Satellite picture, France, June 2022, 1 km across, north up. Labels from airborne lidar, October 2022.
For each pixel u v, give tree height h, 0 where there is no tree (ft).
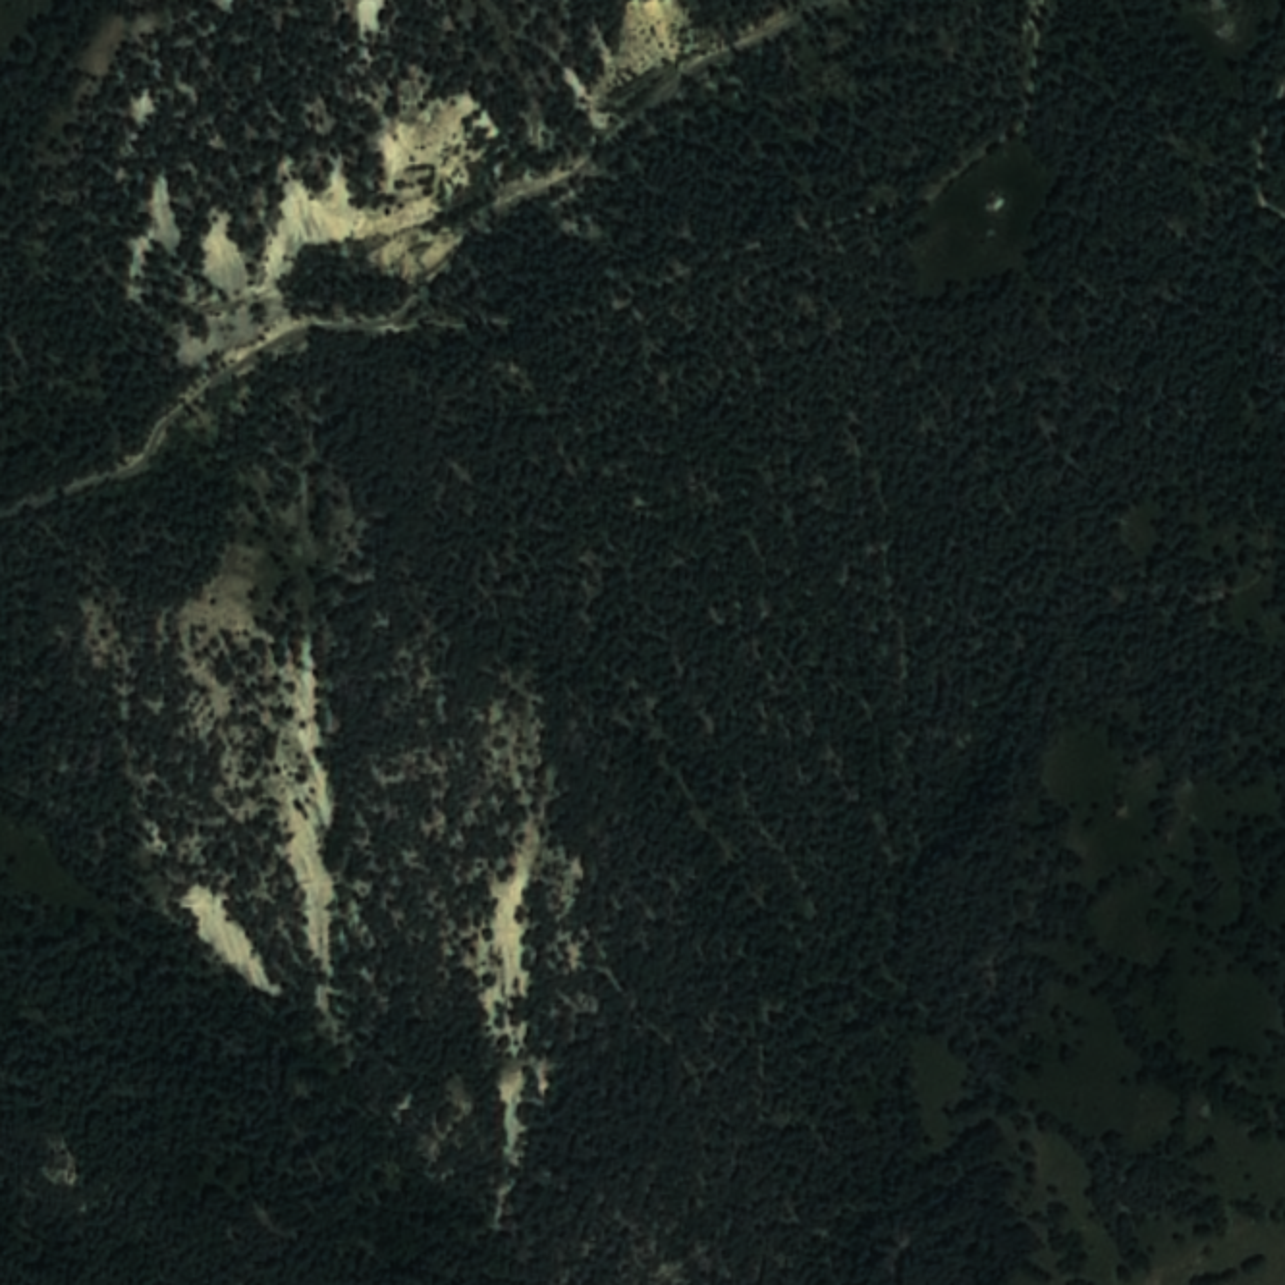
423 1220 63
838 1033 91
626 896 57
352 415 72
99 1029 78
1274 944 50
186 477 74
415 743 30
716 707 73
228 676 48
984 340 69
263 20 69
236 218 41
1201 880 63
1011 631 44
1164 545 34
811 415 44
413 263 0
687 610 41
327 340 69
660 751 44
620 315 30
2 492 29
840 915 74
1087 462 77
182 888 30
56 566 49
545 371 59
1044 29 98
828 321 74
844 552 50
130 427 55
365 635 42
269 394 51
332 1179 97
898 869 28
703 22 24
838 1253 71
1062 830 54
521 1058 17
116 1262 81
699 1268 59
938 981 42
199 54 44
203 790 33
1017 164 0
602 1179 36
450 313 29
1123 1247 48
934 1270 54
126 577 73
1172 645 56
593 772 44
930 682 53
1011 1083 23
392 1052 64
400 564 51
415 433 56
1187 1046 34
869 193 65
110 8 44
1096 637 63
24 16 0
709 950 60
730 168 86
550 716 56
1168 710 72
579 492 77
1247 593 0
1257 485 55
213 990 68
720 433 52
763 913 50
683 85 21
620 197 50
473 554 64
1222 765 72
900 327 55
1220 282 82
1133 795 0
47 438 27
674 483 52
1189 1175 25
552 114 29
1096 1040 0
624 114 34
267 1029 88
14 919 34
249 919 42
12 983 81
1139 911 0
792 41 80
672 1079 53
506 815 50
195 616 0
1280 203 52
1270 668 42
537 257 72
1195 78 56
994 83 73
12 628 92
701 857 68
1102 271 90
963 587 70
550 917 24
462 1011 54
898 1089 44
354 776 28
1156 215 91
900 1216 70
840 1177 59
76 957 35
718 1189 39
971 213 0
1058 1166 0
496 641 68
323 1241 73
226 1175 52
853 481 54
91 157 70
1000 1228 48
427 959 24
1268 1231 0
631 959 47
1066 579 36
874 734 53
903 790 60
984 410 71
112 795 82
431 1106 44
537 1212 34
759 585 71
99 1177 61
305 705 0
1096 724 39
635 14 0
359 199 23
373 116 43
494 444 65
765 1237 58
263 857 23
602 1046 30
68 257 33
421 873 26
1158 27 61
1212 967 26
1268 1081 36
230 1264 48
